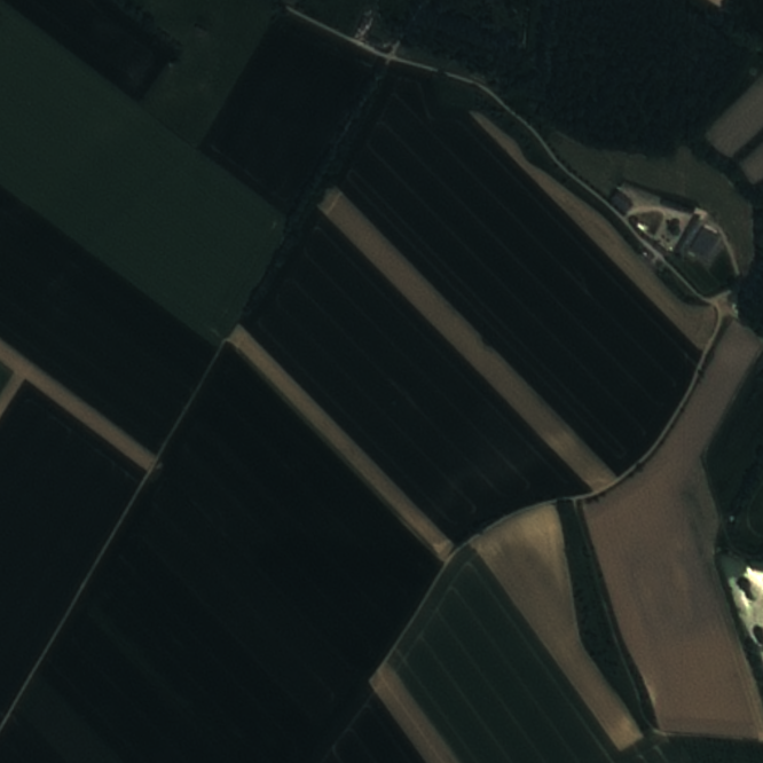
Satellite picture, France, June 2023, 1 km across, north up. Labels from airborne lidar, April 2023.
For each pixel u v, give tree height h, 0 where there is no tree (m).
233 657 0
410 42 22
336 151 10
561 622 0
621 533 0
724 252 0
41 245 0
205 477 0
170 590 0
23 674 0
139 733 0
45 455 0
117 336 0
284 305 0
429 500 0
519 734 0
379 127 0
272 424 0
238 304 0
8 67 0
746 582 9
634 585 0
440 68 0
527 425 0
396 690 0
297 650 0
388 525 0
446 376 0
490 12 11
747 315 18
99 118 0
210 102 0
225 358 0
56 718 0
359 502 0
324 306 0
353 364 0
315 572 0
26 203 0
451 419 0
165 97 0
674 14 37
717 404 0
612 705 0
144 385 0
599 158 0
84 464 0
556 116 33
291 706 0
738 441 0
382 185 0
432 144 0
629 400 0
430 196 0
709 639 0
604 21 36
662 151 19
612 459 0
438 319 0
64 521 0
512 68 22
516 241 0
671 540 0
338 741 0
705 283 0
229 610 0
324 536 0
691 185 0
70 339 0
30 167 0
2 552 0
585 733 0
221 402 0
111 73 0
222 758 0
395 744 0
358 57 0
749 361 0
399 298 0
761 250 16
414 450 0
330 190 0
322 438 0
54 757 0
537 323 0
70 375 0
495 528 0
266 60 0
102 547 0
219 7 0
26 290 0
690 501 0
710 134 0
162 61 0
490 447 0
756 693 0
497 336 0
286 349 0
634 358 0
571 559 0
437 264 0
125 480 0
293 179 0
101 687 0
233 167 0
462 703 0
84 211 0
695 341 0
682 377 0
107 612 0
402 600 0
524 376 0
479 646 0
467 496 0
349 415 0
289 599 0
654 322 0
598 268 0
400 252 0
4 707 0
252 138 0
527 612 0
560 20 35
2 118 0
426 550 0
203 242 0
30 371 0
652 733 0
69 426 0
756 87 0
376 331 0
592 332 0
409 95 0
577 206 0
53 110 0
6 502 0
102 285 0
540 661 0
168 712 0
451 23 35
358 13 0
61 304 0
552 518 0
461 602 0
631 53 34
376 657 0
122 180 0
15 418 0
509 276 0
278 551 0
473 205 0
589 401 0
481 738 0
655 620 0
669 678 0
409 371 0
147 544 0
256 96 0
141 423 0
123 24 0
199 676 0
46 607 0
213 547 0
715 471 0
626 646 0
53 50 0
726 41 36
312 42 0
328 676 0
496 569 0
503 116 6
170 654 0
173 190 0
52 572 0
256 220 0
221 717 0
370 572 0
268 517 0
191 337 0
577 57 35
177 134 0
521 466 0
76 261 0
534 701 0
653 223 0
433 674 0
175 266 0
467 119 0
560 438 0
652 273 0
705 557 0
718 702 0
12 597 0
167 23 0
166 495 0
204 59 0
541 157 0
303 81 0
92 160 0
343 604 0
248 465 0
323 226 0
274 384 0
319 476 0
